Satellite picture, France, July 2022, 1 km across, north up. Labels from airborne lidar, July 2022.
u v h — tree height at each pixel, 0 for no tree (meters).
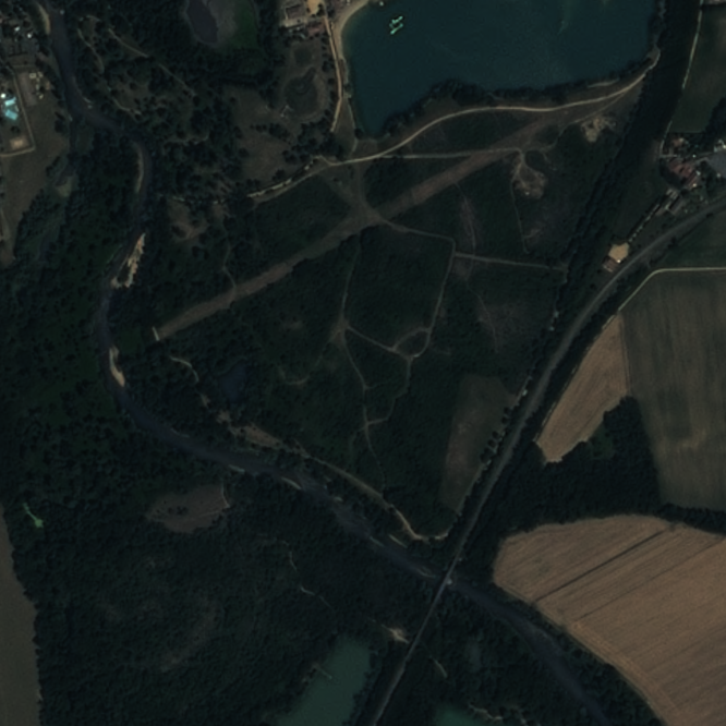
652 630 0
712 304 0
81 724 18
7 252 0
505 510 15
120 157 22
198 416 20
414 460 9
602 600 0
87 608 11
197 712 10
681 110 0
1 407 10
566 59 0
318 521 18
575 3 0
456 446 0
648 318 0
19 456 6
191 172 11
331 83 12
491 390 0
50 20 0
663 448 0
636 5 0
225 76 10
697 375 0
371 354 7
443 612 17
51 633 20
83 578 8
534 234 0
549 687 12
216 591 7
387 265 6
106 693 12
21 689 0
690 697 0
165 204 22
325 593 9
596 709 0
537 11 0
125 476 18
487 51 0
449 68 0
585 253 16
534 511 17
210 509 0
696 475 0
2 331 16
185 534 7
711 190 8
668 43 18
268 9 12
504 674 16
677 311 0
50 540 19
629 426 16
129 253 0
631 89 0
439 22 0
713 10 14
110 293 0
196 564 14
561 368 15
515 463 12
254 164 0
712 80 0
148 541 16
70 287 6
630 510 14
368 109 0
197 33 0
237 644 8
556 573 0
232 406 18
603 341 0
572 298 13
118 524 21
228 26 0
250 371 15
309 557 8
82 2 7
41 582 28
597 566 0
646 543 0
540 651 0
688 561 0
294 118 0
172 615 7
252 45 0
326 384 6
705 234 0
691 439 0
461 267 0
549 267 8
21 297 17
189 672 11
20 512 15
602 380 0
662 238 0
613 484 23
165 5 15
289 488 14
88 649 16
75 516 26
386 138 0
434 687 18
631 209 0
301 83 0
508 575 0
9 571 0
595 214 15
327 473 16
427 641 9
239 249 11
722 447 0
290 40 8
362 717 10
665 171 18
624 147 11
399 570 11
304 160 15
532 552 0
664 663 0
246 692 9
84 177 26
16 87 0
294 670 9
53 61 0
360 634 20
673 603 0
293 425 6
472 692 20
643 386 0
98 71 11
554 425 0
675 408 0
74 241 9
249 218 13
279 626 8
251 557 11
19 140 0
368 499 19
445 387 6
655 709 0
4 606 0
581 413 0
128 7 25
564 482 19
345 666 0
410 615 10
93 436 8
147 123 11
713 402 0
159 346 17
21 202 0
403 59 0
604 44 0
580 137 0
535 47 0
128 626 7
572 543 0
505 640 17
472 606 28
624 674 0
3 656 0
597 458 11
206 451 0
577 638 0
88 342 13
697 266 0
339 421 8
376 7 0
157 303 19
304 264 12
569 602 0
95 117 0
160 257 27
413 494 8
